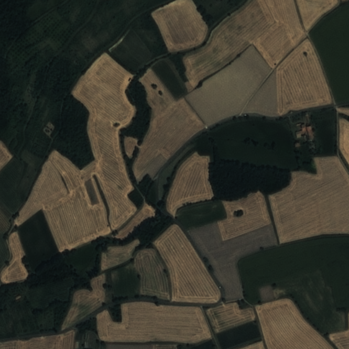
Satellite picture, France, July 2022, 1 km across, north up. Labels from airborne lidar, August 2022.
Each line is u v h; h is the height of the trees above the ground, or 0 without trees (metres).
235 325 0
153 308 0
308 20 0
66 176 0
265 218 0
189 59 0
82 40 0
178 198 0
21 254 0
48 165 0
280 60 0
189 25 0
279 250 0
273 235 0
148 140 0
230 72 0
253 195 0
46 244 0
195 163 0
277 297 0
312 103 0
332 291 0
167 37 0
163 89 0
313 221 0
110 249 0
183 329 0
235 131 0
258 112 0
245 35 0
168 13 0
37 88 6
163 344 0
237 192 17
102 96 0
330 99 0
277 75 0
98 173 0
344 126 0
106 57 0
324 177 0
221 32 0
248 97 0
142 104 19
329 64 0
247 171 19
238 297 0
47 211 0
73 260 0
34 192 0
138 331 0
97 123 0
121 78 0
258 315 0
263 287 0
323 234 0
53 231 0
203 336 0
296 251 0
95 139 0
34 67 7
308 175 0
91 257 0
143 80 0
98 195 0
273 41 0
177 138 0
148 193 10
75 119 12
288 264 0
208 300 0
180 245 0
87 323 6
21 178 0
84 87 0
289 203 0
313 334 0
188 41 0
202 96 0
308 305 0
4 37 7
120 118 0
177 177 0
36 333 0
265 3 0
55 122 5
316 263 0
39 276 15
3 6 16
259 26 0
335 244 0
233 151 0
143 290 0
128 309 0
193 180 0
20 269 0
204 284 0
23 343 0
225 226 0
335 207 0
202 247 0
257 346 0
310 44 0
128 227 0
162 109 0
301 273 0
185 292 0
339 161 0
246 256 0
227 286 0
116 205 0
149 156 0
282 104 0
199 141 0
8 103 9
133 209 0
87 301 0
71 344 0
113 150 0
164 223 9
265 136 0
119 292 0
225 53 0
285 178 7
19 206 0
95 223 0
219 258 0
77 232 0
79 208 0
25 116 10
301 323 0
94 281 0
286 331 0
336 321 0
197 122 0
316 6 0
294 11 0
